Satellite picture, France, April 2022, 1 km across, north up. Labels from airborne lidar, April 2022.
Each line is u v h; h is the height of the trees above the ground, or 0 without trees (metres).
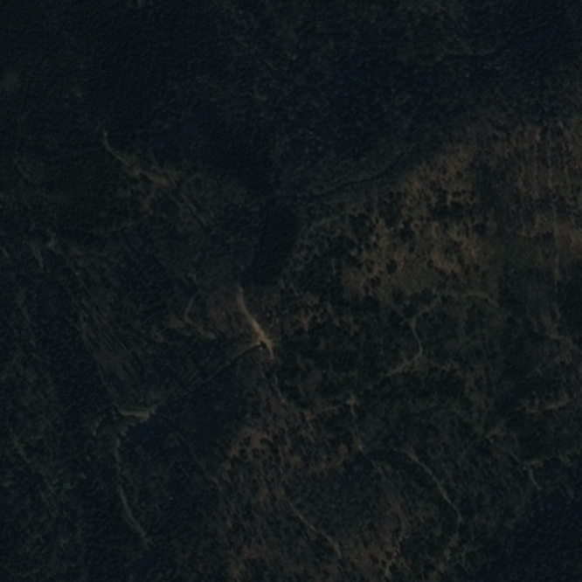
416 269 15
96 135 21
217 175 14
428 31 12
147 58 25
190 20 27
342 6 15
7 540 31
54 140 17
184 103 10
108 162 15
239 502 25
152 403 19
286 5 25
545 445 17
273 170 23
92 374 26
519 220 14
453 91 7
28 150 17
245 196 17
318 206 14
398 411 14
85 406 25
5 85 16
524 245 17
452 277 13
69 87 18
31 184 20
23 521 31
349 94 47
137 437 13
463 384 17
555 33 29
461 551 24
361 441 28
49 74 17
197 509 19
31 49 19
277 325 7
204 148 17
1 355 31
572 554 33
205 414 8
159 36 23
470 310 13
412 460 17
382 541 26
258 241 10
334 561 9
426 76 16
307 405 23
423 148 7
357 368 16
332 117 9
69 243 9
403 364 9
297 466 9
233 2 23
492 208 16
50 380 27
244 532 31
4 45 19
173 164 9
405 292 12
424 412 12
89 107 21
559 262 14
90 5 25
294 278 9
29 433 34
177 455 31
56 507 28
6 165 15
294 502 39
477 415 16
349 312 16
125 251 8
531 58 30
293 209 14
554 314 20
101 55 27
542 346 14
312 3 14
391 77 23
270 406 12
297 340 16
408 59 11
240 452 9
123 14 26
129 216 24
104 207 20
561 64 34
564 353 15
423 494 13
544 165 15
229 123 17
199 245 10
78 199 19
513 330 16
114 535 31
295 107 30
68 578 33
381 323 19
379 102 24
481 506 21
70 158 22
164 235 10
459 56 13
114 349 40
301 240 11
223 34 20
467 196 8
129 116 23
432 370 15
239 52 22
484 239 9
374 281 8
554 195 20
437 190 19
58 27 20
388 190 20
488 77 14
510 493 13
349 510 40
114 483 26
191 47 22
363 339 9
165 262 8
